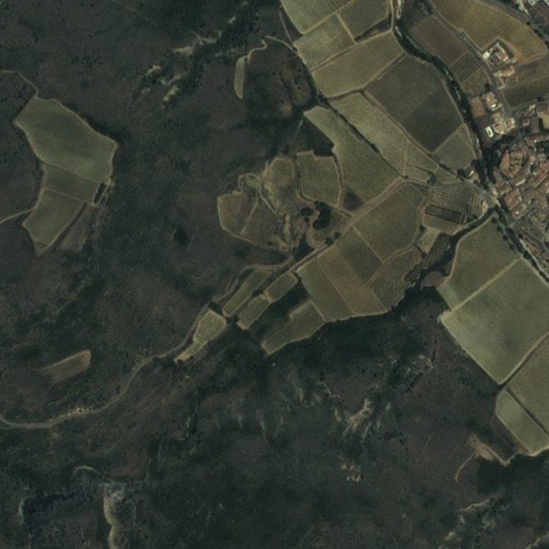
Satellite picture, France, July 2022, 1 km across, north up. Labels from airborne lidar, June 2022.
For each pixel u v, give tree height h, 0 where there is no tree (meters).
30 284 0
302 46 0
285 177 0
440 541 0
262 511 0
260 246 0
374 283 0
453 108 0
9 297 0
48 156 0
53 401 0
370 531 0
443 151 0
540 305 0
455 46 0
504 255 0
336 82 0
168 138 0
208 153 0
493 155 8
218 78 0
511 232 8
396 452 0
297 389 0
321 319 0
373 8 0
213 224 0
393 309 11
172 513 0
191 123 0
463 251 0
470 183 0
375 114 0
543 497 0
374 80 0
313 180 0
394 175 0
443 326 0
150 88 12
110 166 0
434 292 7
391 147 0
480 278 0
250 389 0
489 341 0
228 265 0
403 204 0
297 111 8
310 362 8
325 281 0
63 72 0
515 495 0
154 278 0
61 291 0
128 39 0
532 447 0
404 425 0
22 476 10
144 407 0
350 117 0
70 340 0
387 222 0
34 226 0
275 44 0
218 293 0
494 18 0
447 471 0
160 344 0
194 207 0
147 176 0
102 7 0
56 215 0
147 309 0
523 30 0
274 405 0
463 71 0
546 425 0
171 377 6
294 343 6
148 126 0
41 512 11
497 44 0
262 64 0
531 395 0
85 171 0
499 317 0
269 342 0
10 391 0
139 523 16
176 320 0
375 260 0
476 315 0
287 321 0
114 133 7
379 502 0
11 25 0
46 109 0
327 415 0
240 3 9
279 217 0
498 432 0
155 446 5
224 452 0
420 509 0
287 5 0
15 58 0
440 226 0
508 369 0
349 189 0
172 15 9
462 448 0
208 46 7
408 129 0
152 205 0
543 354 0
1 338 0
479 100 0
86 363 0
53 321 0
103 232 0
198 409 0
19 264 0
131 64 0
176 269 0
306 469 0
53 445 0
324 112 0
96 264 0
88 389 0
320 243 0
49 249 0
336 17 0
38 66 7
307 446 0
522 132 10
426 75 0
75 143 0
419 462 0
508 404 0
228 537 0
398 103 0
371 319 7
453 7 0
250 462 0
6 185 0
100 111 0
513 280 0
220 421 0
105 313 0
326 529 0
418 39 0
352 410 0
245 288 0
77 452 0
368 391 0
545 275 8
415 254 0
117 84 0
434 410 0
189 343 8
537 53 0
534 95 0
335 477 0
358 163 0
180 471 0
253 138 0
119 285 0
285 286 0
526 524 0
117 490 0
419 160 0
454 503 0
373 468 0
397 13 0
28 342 0
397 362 6
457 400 0
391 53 0
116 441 0
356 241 0
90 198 0
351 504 0
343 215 0
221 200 0
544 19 0
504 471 5
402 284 0
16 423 0
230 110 0
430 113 0
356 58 0
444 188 0
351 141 0
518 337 0
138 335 0
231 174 0
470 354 0
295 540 0
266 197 0
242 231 0
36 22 0
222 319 0
